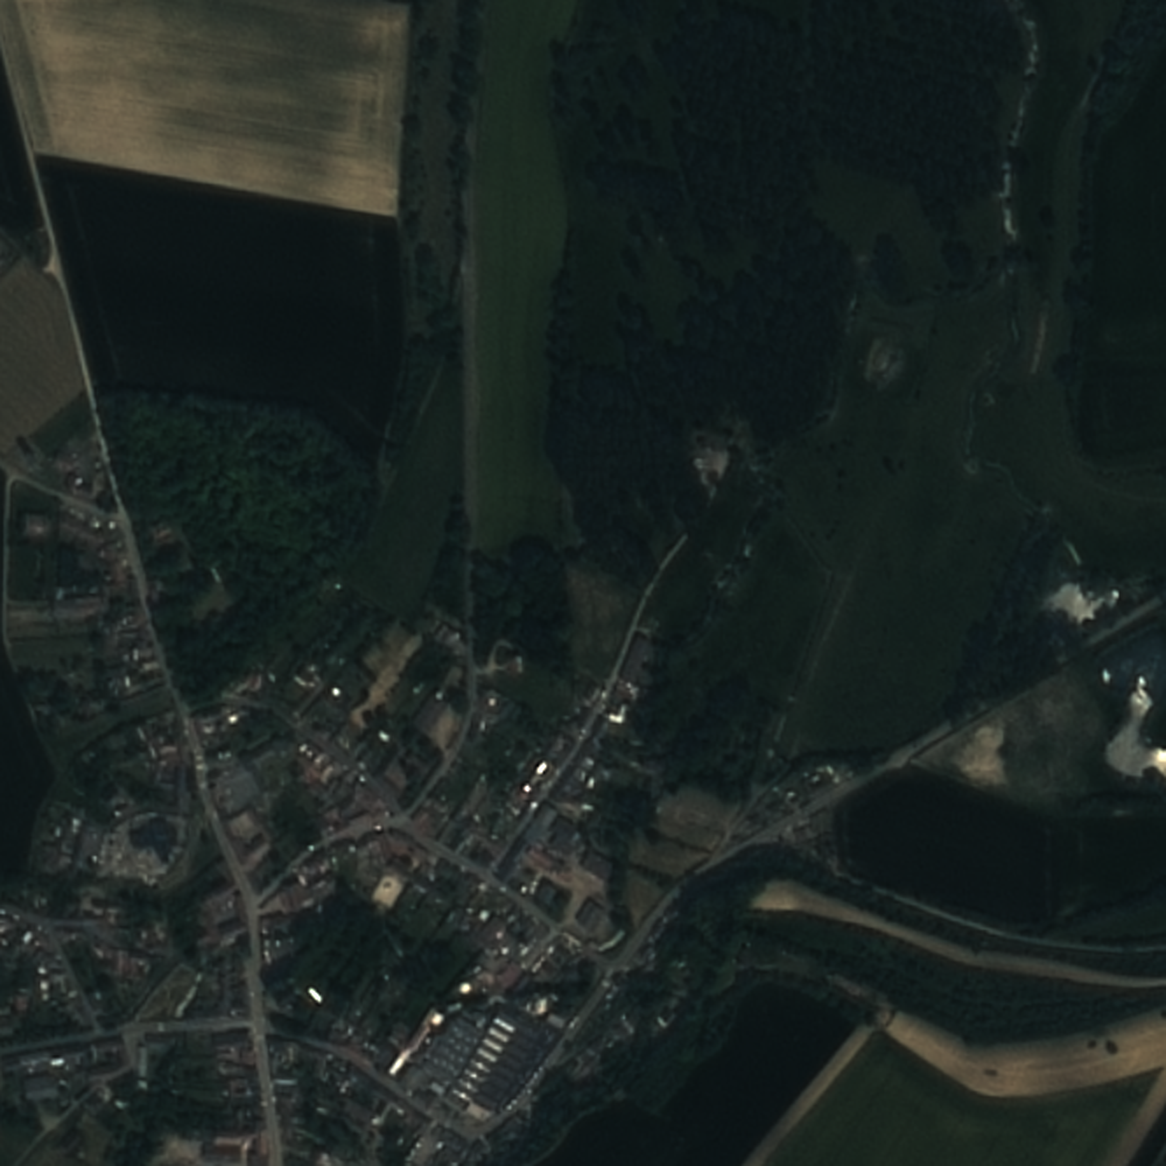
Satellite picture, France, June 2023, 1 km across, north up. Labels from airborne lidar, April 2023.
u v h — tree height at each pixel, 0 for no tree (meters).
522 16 0
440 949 15
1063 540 9
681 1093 0
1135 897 12
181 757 0
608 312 0
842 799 0
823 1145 0
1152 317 0
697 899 24
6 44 0
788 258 34
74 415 0
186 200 0
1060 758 0
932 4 23
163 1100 14
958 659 0
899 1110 0
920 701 0
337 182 0
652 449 36
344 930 18
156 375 0
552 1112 18
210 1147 0
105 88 0
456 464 0
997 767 0
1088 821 0
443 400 0
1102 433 0
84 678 0
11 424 0
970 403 0
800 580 0
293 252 0
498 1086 0
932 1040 0
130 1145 12
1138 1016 0
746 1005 0
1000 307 0
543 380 0
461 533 14
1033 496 0
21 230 0
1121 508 0
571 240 5
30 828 0
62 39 0
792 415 36
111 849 0
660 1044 12
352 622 12
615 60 0
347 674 0
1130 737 0
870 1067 0
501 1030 0
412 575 0
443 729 0
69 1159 0
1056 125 0
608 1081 7
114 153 0
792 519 0
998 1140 0
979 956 0
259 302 0
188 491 19
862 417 0
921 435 0
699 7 27
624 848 7
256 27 0
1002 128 0
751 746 10
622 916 10
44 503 0
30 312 0
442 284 20
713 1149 0
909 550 0
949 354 0
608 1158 0
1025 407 0
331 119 0
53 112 0
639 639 0
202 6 0
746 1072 0
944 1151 0
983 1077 0
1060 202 0
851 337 0
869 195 0
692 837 0
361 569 0
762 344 37
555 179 0
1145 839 0
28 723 0
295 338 0
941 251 0
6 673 0
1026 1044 0
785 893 0
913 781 0
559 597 21
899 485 0
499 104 0
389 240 0
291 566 19
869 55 22
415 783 6
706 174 31
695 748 22
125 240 0
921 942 0
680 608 0
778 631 0
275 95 0
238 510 19
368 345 0
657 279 0
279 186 0
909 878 0
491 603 15
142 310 0
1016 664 24
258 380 0
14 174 0
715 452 0
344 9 0
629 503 36
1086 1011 7
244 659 16
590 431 36
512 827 0
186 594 18
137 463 17
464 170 13
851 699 0
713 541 0
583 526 24
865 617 0
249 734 8
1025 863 0
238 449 13
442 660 7
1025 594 30
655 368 36
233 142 0
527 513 0
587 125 0
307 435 21
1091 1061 0
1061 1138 0
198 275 0
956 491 0
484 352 0
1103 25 0
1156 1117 0
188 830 0
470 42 18
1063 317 0
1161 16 7
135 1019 0
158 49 0
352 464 19
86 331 0
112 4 0
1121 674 0
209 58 0
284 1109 0
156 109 0
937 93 28
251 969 0
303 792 0
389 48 0
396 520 0
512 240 0
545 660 9
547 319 0
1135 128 0
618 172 32
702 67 31
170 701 0
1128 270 0
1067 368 20
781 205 29
